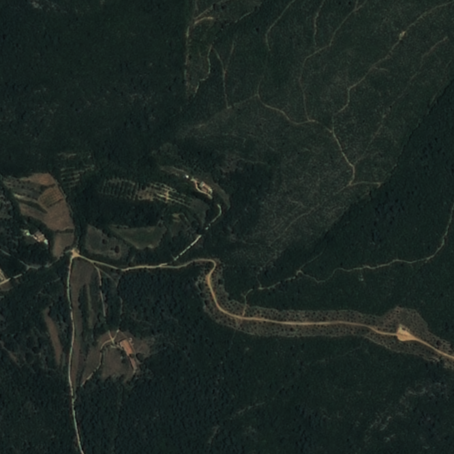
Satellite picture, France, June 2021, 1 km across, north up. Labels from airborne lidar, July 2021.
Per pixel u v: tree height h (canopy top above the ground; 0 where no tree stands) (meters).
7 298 9
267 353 10
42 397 8
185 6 9
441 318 6
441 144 6
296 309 6
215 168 7
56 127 7
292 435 6
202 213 0
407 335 0
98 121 6
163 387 8
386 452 12
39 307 9
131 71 7
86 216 10
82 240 9
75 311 0
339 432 7
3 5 9
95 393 6
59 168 8
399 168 7
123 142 7
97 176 8
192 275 7
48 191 0
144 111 6
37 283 10
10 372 12
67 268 9
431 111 9
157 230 0
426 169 12
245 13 12
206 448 9
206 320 7
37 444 7
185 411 12
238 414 5
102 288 17
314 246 6
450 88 7
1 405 15
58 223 0
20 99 6
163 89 5
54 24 6
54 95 6
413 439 7
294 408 6
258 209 7
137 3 6
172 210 6
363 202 8
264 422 5
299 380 5
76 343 0
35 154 6
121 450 11
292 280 8
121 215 9
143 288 12
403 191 6
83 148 8
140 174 6
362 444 7
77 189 16
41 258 11
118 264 7
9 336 12
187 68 13
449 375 6
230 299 10
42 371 10
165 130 7
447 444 10
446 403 5
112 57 7
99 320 9
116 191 8
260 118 0
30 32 5
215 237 6
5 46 6
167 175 7
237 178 8
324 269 8
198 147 8
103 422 14
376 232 8
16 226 8
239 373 12
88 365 0
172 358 15
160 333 15
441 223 5
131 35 6
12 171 11
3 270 8
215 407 11
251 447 6
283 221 0
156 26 7
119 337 0
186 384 6
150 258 7
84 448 11
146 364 9
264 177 8
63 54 5
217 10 12
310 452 12
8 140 7
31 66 9
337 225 11
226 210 7
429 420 15
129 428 10
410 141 8
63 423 8
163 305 14
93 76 6
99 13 5
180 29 5
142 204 10
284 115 0
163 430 8
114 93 6
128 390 6
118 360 0
